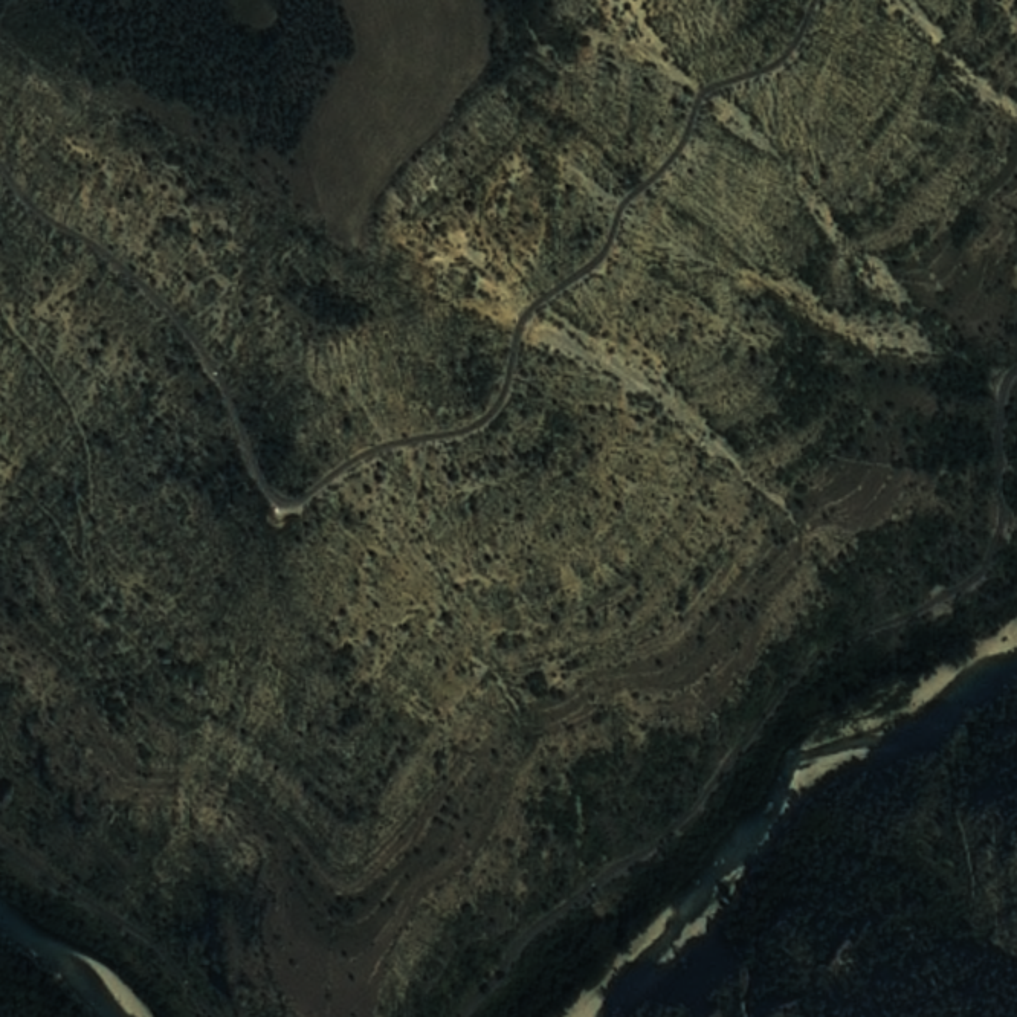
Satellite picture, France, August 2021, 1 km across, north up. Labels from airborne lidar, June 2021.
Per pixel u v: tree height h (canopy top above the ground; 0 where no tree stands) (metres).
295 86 8
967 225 6
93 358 13
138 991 17
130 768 0
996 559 8
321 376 0
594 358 0
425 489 11
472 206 14
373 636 12
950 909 6
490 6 7
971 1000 18
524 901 50
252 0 0
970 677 0
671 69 0
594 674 0
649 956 0
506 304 0
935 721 0
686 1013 8
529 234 0
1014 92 7
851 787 17
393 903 11
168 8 11
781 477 9
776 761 9
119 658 6
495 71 7
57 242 7
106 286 0
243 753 0
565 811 9
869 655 14
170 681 10
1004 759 6
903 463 8
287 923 0
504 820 0
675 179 0
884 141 0
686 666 0
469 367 7
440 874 0
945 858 7
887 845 10
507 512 8
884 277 0
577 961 15
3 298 0
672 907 0
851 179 0
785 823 10
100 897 9
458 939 10
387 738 6
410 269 0
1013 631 0
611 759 8
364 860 0
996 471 13
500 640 9
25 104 0
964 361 8
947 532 11
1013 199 0
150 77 9
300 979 0
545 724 0
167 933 7
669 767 7
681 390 8
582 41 6
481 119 0
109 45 8
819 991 7
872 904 8
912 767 8
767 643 8
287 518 6
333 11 11
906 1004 10
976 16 8
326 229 0
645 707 0
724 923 14
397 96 0
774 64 0
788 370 6
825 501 0
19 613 7
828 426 7
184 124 0
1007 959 13
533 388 10
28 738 18
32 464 6
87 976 0
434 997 12
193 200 8
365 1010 0
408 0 0
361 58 0
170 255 0
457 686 0
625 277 0
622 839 11
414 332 0
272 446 9
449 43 0
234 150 0
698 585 6
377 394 0
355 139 0
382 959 0
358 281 0
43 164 0
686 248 0
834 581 9
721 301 0
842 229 9
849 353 10
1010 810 8
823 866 13
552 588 6
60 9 8
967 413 6
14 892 14
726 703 9
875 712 0
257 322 0
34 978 18
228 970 6
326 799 9
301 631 0
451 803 11
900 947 8
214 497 7
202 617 0
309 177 0
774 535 8
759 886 22
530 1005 24
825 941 8
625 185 8
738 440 7
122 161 0
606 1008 0
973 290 0
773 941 11
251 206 0
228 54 17
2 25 0
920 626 7
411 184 0
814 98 0
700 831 8
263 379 6
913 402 0
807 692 9
